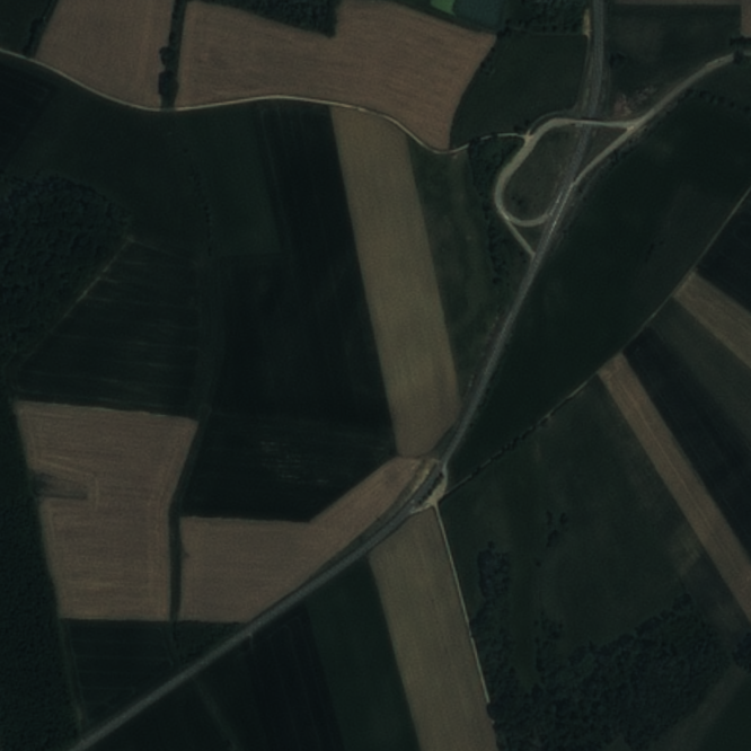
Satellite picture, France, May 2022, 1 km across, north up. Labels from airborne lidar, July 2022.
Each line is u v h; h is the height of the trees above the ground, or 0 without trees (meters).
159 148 0
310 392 0
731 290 0
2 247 26
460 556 0
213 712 0
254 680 0
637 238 0
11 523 18
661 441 0
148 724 0
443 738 0
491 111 0
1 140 0
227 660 0
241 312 0
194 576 0
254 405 0
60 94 0
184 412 0
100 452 0
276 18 6
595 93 0
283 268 0
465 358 0
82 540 0
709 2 0
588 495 0
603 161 0
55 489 0
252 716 0
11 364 0
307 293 0
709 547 0
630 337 0
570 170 0
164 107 0
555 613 0
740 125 0
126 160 0
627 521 0
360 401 0
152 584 0
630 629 0
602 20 0
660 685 17
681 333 0
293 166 0
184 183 0
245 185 0
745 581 0
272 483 0
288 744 0
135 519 0
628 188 0
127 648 0
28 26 0
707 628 6
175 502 0
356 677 0
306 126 0
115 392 0
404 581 0
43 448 0
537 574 0
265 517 0
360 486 0
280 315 0
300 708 0
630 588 0
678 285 0
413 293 0
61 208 24
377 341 0
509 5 0
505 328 0
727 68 0
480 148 13
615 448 0
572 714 24
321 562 0
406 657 0
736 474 0
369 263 0
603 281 0
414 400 0
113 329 0
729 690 0
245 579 0
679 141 0
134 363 0
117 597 0
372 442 0
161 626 0
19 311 27
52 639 18
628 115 0
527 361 0
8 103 0
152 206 0
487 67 13
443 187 0
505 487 0
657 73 0
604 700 21
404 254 0
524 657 0
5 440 13
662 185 0
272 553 0
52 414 0
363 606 0
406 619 0
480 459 0
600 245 0
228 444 0
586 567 0
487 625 13
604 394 0
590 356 0
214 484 0
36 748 17
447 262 0
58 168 0
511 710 20
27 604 19
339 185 0
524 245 0
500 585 20
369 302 0
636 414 0
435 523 0
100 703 0
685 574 0
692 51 0
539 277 0
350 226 0
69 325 0
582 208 0
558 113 0
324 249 0
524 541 0
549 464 0
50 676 17
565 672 20
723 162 0
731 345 0
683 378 0
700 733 0
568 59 0
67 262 23
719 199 0
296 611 0
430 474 0
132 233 0
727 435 0
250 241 0
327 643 0
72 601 0
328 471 0
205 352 0
